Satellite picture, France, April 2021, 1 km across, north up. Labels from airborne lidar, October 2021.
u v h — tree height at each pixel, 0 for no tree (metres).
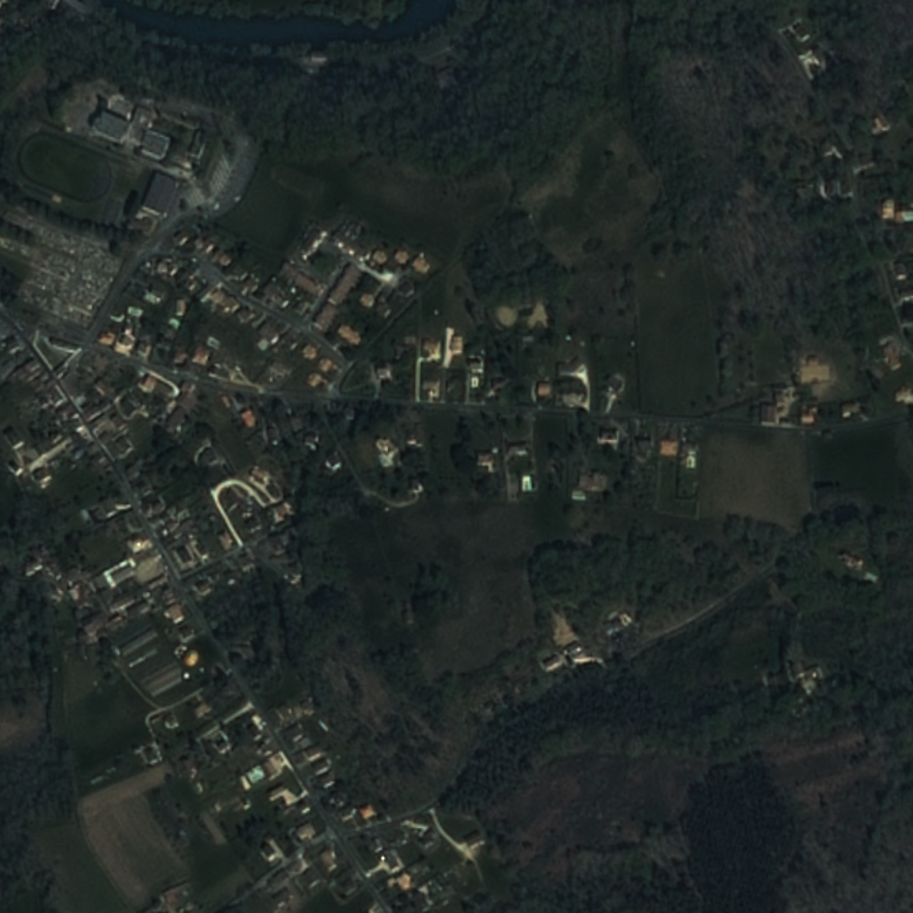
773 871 10
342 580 17
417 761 21
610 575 16
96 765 0
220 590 9
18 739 0
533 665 15
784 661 10
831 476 0
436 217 0
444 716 19
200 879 0
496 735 18
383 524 0
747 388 7
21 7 11
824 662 14
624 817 0
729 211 21
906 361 0
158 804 10
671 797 6
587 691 17
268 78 20
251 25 0
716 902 11
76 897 0
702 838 9
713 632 9
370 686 13
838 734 11
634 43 20
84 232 11
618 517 0
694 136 15
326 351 0
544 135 22
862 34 21
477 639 0
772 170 12
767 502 0
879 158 13
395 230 0
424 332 0
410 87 23
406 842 0
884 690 15
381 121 16
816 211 8
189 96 20
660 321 0
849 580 0
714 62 23
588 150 0
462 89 25
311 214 0
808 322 21
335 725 17
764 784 12
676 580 15
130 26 17
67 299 0
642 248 0
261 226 0
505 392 11
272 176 0
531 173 16
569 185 0
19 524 15
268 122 22
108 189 0
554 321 15
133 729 0
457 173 16
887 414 0
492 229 7
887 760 9
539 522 0
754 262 19
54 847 0
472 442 11
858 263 21
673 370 0
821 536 19
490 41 22
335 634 16
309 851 9
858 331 20
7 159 19
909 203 11
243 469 0
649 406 0
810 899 17
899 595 12
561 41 18
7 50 22
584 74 26
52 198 0
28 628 21
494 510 0
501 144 22
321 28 0
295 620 19
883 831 15
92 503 0
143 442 0
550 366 0
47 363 0
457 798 21
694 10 19
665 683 6
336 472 6
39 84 0
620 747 19
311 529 25
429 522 0
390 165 15
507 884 0
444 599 11
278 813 10
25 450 0
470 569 0
